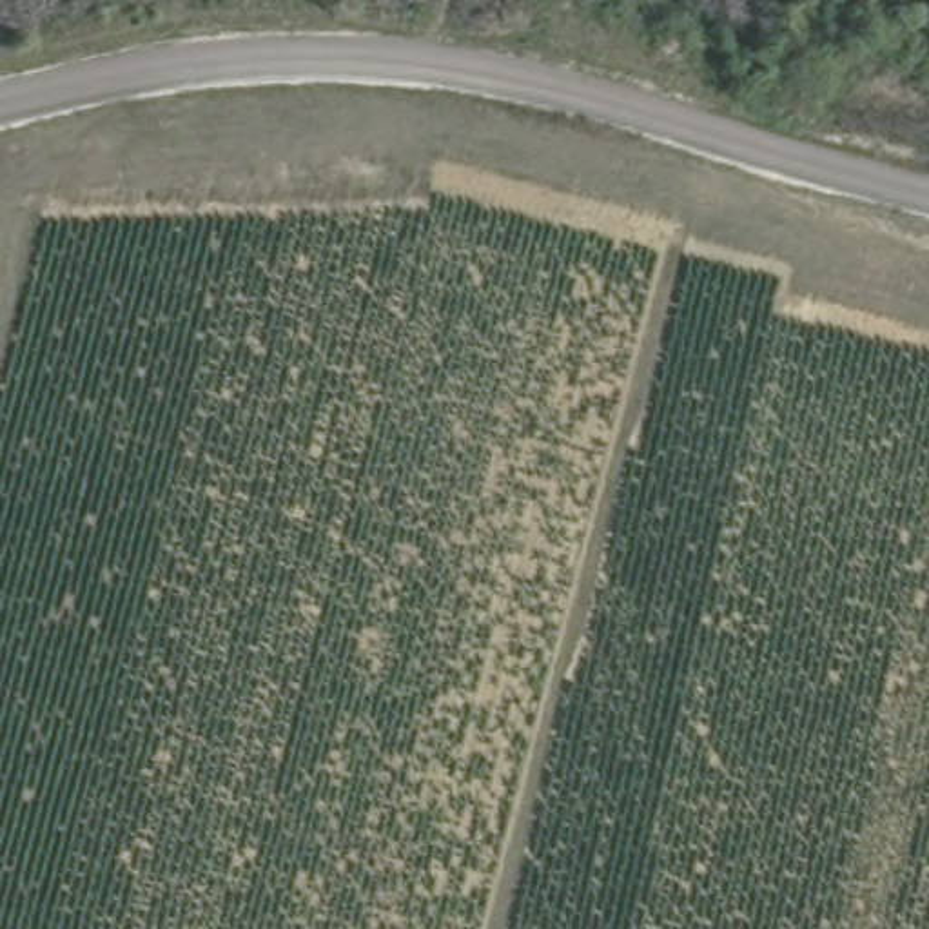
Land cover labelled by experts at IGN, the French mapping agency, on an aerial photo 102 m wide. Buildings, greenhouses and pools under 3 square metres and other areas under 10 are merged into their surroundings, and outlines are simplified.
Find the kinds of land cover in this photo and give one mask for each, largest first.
<instances>
[{"label":"vineyard","instance_id":"1","mask_svg":"<svg viewBox=\"0 0 929 929\"><path fill-rule=\"evenodd\" d=\"M432 185L439 189V196L432 203H425L421 196H406L403 207H396L392 196L287 200L283 207L250 200L65 203L51 196L44 207L47 218L36 221L29 240L15 312L7 323V345L0 359V929H929V330L871 316L860 308L798 298L791 290L787 261L697 240L682 232L679 221L617 203L552 192L526 181H508L461 163H435Z\"/></svg>","mask_w":929,"mask_h":929},{"label":"herbaceous vegetation","instance_id":"2","mask_svg":"<svg viewBox=\"0 0 929 929\"><path fill-rule=\"evenodd\" d=\"M435 163H461L508 181H526L552 192L617 203L679 221L682 232L697 240L787 261L791 290L798 298L860 308L871 316L929 330V221L911 218L893 203H867L849 196H824L817 189L777 185L726 163L689 156L682 149H668L660 142H646L642 134L599 123L584 112L533 109L457 91L359 83L218 87L145 102H112L62 120L0 131V359L7 345V323L15 312L29 240L36 221L47 218L44 207L51 196L65 203L250 200L283 207L287 200L392 196L396 207H403L406 196H421L425 203H432L439 196V189L432 185Z\"/></svg>","mask_w":929,"mask_h":929},{"label":"coniferous trees","instance_id":"3","mask_svg":"<svg viewBox=\"0 0 929 929\"><path fill-rule=\"evenodd\" d=\"M356 29L421 40L428 47L537 54L548 65L573 62L581 76L606 80L628 91H639L642 80H653L682 109H704L711 116L748 123L824 152H842L853 160H871L882 167L929 178V0H0V76L54 65L65 58L105 54L131 44L178 40L192 33Z\"/></svg>","mask_w":929,"mask_h":929},{"label":"impervious surface","instance_id":"4","mask_svg":"<svg viewBox=\"0 0 929 929\"><path fill-rule=\"evenodd\" d=\"M359 83L457 91L533 109L584 112L599 123L642 134L646 142H660L668 149H682L689 156L726 163L777 185L817 189L824 196H849L867 203H893L911 218L929 221V178L882 167L871 160H853L842 152H824L748 123L711 116L704 109H682L653 80H642L639 91H628L606 80L581 76L573 62L548 65L537 54L428 47L421 40L356 29L192 33L178 40L131 44L105 54L65 58L54 65L0 76V131L62 120L112 102H145L218 87Z\"/></svg>","mask_w":929,"mask_h":929}]
</instances>
